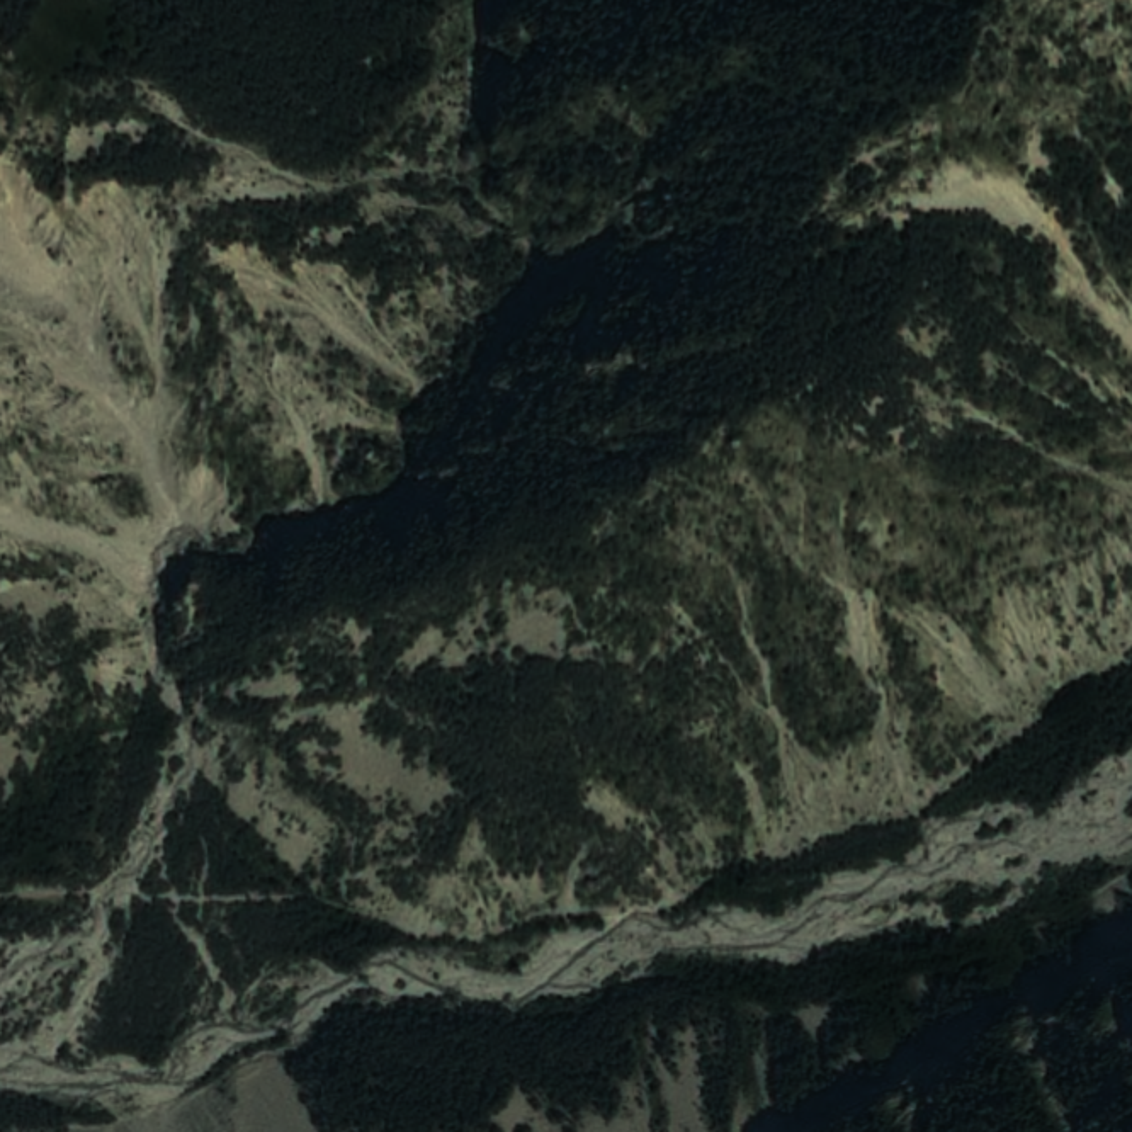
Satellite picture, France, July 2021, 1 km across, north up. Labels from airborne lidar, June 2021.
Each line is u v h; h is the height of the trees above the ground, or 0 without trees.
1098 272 9
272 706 8
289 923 12
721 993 14
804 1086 16
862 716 6
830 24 15
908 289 13
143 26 13
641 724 10
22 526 0
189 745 0
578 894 7
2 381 0
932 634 0
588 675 10
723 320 11
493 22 12
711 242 12
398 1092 15
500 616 7
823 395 13
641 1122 0
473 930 0
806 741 7
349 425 8
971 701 0
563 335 12
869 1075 19
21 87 0
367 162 9
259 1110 0
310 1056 12
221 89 16
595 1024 18
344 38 18
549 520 13
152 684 6
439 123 8
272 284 0
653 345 13
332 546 21
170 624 6
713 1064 6
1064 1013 10
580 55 14
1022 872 0
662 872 7
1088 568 0
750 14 14
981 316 8
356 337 0
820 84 6
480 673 12
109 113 10
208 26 14
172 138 15
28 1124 7
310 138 11
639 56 6
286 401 0
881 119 7
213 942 6
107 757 9
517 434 10
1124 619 0
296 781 8
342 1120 10
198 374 6
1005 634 0
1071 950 8
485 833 11
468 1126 14
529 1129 10
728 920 0
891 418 13
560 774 9
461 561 10
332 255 6
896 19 15
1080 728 15
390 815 7
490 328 10
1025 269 11
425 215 8
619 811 0
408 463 16
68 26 0
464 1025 16
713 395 6
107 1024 8
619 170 14
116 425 0
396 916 0
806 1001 10
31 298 0
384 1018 16
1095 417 6
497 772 10
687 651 10
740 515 7
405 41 17
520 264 15
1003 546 8
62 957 0
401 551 20
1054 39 8
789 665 7
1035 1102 5
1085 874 9
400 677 9
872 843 11
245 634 7
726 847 8
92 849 6
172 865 6
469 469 16
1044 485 6
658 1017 9
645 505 8
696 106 12
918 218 11
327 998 0
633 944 0
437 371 8
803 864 12
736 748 8
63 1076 0
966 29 9
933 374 9
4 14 12
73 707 7
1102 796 0
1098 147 6
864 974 11
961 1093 8
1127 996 9
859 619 0
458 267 8
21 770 6
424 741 8
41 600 0
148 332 0
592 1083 15
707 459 6
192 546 8
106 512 0
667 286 9
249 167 0
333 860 8
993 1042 7
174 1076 0
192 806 9
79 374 0
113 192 0
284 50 16
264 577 6
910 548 0
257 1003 0
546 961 0
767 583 7
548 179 8
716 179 11
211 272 6
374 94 19
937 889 0
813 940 0
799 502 0
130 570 0
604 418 6
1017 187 0
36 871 8
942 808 8
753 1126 0
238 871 12
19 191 0
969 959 8
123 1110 0
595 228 9
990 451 11
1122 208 8
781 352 7
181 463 0
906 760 0
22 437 8
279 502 10
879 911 0
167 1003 7
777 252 11
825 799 0
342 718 0
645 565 10
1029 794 12
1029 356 7
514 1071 12
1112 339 6
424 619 9
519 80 15
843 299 17
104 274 0
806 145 12
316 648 6
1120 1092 12
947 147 10
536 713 8
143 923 9
